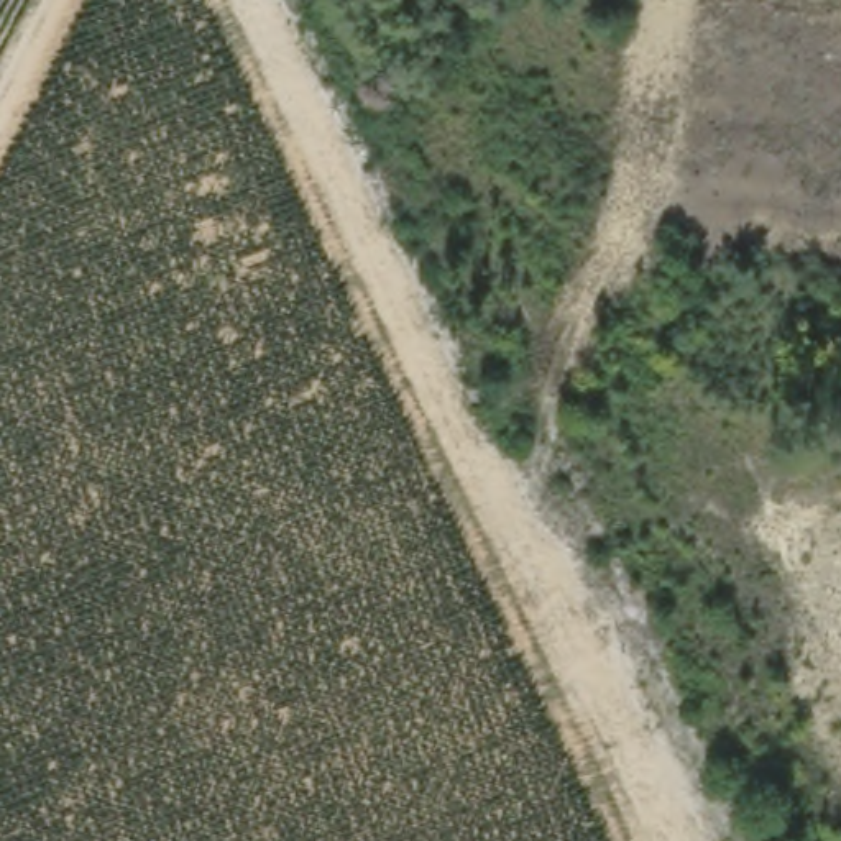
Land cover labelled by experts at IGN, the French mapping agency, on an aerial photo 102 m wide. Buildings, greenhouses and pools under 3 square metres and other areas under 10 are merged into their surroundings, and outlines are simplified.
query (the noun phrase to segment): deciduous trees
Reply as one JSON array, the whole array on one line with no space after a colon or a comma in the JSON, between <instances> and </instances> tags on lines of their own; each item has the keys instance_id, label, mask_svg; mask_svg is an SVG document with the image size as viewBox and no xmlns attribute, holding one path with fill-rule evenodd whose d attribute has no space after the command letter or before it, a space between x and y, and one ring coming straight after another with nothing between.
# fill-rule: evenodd
<instances>
[{"instance_id":1,"label":"deciduous trees","mask_svg":"<svg viewBox=\"0 0 841 841\"><path fill-rule=\"evenodd\" d=\"M693 217L687 217L680 207L670 207L657 220L650 243L664 256L673 256L690 269L703 266L706 243L706 230Z\"/></svg>"},{"instance_id":2,"label":"deciduous trees","mask_svg":"<svg viewBox=\"0 0 841 841\"><path fill-rule=\"evenodd\" d=\"M729 821L742 831L742 841L769 841L772 834L785 831L785 805L762 805L756 792L742 785L742 779L733 779L726 765L710 759L703 762L700 779L700 792L706 798L729 805Z\"/></svg>"},{"instance_id":3,"label":"deciduous trees","mask_svg":"<svg viewBox=\"0 0 841 841\"><path fill-rule=\"evenodd\" d=\"M650 315L647 299L657 292L650 286L650 250L637 256L631 286L618 292L601 292L595 302L591 338L578 352L578 365L565 371L565 381L558 388L558 437L565 440L601 440L608 430L621 427L621 421L647 414L654 404L647 391L654 391L664 381L660 371L650 368L650 361L660 355L654 338L660 322Z\"/></svg>"}]
</instances>

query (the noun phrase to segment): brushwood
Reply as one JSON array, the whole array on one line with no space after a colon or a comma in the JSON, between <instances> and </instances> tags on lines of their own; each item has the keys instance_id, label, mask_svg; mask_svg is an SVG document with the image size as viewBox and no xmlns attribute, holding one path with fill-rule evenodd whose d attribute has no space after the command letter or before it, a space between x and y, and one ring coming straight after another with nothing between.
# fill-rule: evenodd
<instances>
[{"instance_id":1,"label":"brushwood","mask_svg":"<svg viewBox=\"0 0 841 841\"><path fill-rule=\"evenodd\" d=\"M388 210L381 217L381 227L417 263L417 276L437 302L437 319L450 329L450 338L460 348L460 404L473 414L473 421L486 430L499 453L516 460L529 457L535 443L535 378L545 375L549 361L558 352L558 335L549 332L549 322L555 315L562 286L595 253L595 230L601 204L611 187L614 154L624 125L618 125L614 115L604 118L595 112L562 112L558 95L552 89L552 72L545 66L512 66L506 59L506 49L496 46L499 33L489 20L470 20L473 43L466 53L453 46L427 46L417 62L404 69L401 56L375 53L365 39L352 36L348 23L338 16L335 0L286 0L299 13L299 49L309 56L309 69L319 76L325 89L332 89L332 99L345 105L345 131L352 145L361 145L368 151L365 171L378 174L388 187Z\"/></svg>"},{"instance_id":2,"label":"brushwood","mask_svg":"<svg viewBox=\"0 0 841 841\"><path fill-rule=\"evenodd\" d=\"M749 749L749 756L765 756L779 746L795 749L792 736L811 723L808 700L795 693L785 660L788 627L765 614L762 604L742 604L736 598L736 588L729 585L733 572L726 562L716 578L706 562L683 562L677 552L660 549L660 542L650 535L680 512L680 503L673 496L657 493L654 483L670 473L680 417L677 404L654 404L647 414L621 421L621 427L608 430L601 440L565 440L568 450L578 453L588 466L585 499L591 503L604 532L624 526L631 529L631 542L618 549L611 558L624 565L631 588L647 598L647 608L647 618L657 644L664 647L670 680L680 693L680 719L696 729L703 742L716 736L716 729L733 729L733 736Z\"/></svg>"},{"instance_id":3,"label":"brushwood","mask_svg":"<svg viewBox=\"0 0 841 841\"><path fill-rule=\"evenodd\" d=\"M667 358L690 368L693 381L703 381L703 388L723 398L729 407L769 414L779 411L779 401L785 398L785 381L798 375L798 361L779 338L775 322L788 309L792 296L821 299L828 292L828 269L821 263L828 253L821 250L821 243L808 243L805 250L769 246L762 227L746 227L726 237L723 246L706 243L703 266L690 269L673 256L664 256L650 243L650 250L650 286L657 292L673 292L680 299L680 309L710 312L700 332L673 338Z\"/></svg>"},{"instance_id":4,"label":"brushwood","mask_svg":"<svg viewBox=\"0 0 841 841\"><path fill-rule=\"evenodd\" d=\"M841 841L841 802L828 798L821 811L808 811L808 828L798 841Z\"/></svg>"}]
</instances>

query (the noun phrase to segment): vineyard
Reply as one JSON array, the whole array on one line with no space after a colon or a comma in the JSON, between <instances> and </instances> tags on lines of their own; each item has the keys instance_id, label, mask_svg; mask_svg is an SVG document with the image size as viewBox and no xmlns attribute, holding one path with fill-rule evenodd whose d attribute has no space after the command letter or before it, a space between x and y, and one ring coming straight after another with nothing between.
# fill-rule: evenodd
<instances>
[{"instance_id":1,"label":"vineyard","mask_svg":"<svg viewBox=\"0 0 841 841\"><path fill-rule=\"evenodd\" d=\"M457 526L450 503L443 499L443 486L427 466L414 424L391 388L381 355L375 352L368 335L355 332L355 302L348 296L338 263L322 246L322 237L306 210L306 200L299 197L296 177L286 168L283 148L279 141L260 112L260 102L253 99L253 89L230 49L217 10L207 7L207 0L82 0L69 26L69 36L62 39L46 79L39 82L39 95L30 102L0 161L0 841L611 841L601 815L591 808L588 788L578 782L575 759L565 749L555 719L549 716L535 690L526 660L512 647L506 618L470 555L463 529Z\"/></svg>"},{"instance_id":2,"label":"vineyard","mask_svg":"<svg viewBox=\"0 0 841 841\"><path fill-rule=\"evenodd\" d=\"M0 62L36 0L0 0Z\"/></svg>"}]
</instances>

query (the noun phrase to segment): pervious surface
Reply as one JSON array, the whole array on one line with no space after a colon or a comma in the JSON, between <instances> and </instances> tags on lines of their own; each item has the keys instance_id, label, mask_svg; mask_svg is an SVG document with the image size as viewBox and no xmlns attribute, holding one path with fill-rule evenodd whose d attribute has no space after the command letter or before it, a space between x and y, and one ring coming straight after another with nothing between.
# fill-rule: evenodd
<instances>
[{"instance_id":1,"label":"pervious surface","mask_svg":"<svg viewBox=\"0 0 841 841\"><path fill-rule=\"evenodd\" d=\"M0 62L0 161L30 102L39 95L39 82L46 79L62 39L69 36L69 26L82 0L36 0Z\"/></svg>"},{"instance_id":2,"label":"pervious surface","mask_svg":"<svg viewBox=\"0 0 841 841\"><path fill-rule=\"evenodd\" d=\"M309 171L329 194L335 220L348 240L352 266L368 283L378 302L398 358L411 384L417 388L417 398L430 424L437 427L437 437L443 443L443 453L450 457L453 473L460 476L470 503L476 506L480 522L486 526L499 552L506 578L516 591L535 595L529 621L539 631L552 673L558 677L575 710L575 719L591 719L598 733L614 742L618 775L611 775L611 792L631 825L634 841L719 841L703 818L706 798L700 792L700 779L677 762L667 736L657 729L657 716L644 710L637 690L637 664L627 650L621 650L618 621L647 618L647 608L614 604L611 591L585 585L585 558L568 545L565 535L555 535L542 522L539 493L526 486L526 476L519 473L516 460L499 453L486 430L473 421L473 414L460 404L460 348L450 338L450 329L437 319L437 302L417 276L417 263L381 227L381 217L388 210L388 187L378 174L365 171L368 151L361 145L352 145L345 131L345 105L332 99L332 89L325 89L319 76L309 69L309 56L299 49L299 13L286 0L230 0L237 23L243 26L253 53L263 62L273 99L279 102L289 122L289 131L279 141L283 148L292 141L309 158Z\"/></svg>"}]
</instances>

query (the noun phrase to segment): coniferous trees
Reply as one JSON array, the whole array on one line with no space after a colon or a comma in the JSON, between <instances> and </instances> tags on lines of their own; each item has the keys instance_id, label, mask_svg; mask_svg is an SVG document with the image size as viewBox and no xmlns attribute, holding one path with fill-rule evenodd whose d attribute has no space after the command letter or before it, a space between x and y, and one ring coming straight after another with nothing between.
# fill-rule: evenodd
<instances>
[{"instance_id":1,"label":"coniferous trees","mask_svg":"<svg viewBox=\"0 0 841 841\"><path fill-rule=\"evenodd\" d=\"M404 69L417 62L427 46L453 46L466 53L473 43L470 20L489 20L493 13L512 13L529 7L529 0L335 0L338 16L348 23L352 36L365 39L375 53L401 56Z\"/></svg>"},{"instance_id":2,"label":"coniferous trees","mask_svg":"<svg viewBox=\"0 0 841 841\"><path fill-rule=\"evenodd\" d=\"M841 260L828 253L821 263L828 269L828 292L821 299L792 296L788 309L775 322L779 338L798 361L798 375L785 381L785 398L779 401L779 411L769 414L769 457L742 457L742 466L749 470L759 499L795 499L802 506L811 506L818 493L841 489Z\"/></svg>"}]
</instances>

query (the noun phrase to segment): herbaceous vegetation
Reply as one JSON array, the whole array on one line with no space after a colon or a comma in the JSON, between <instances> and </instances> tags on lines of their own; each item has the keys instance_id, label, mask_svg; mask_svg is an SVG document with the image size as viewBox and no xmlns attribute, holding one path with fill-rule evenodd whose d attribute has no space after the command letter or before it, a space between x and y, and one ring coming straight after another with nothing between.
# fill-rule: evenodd
<instances>
[{"instance_id":1,"label":"herbaceous vegetation","mask_svg":"<svg viewBox=\"0 0 841 841\"><path fill-rule=\"evenodd\" d=\"M762 805L785 805L785 831L772 834L769 841L798 841L808 828L808 811L821 811L828 798L841 802L841 489L818 493L811 506L802 506L795 499L759 499L749 470L742 466L742 457L769 457L769 414L729 407L723 398L703 388L703 381L693 381L690 368L667 358L673 338L700 332L710 312L680 309L680 299L673 292L657 292L647 299L650 315L660 322L654 338L660 355L650 361L650 368L660 371L664 381L654 391L647 391L654 404L677 404L680 417L670 473L654 483L657 493L673 496L680 503L680 512L650 535L660 542L660 549L677 552L683 562L706 562L716 578L726 562L733 572L729 585L736 588L736 598L742 604L762 604L765 614L788 627L785 660L795 693L808 700L811 723L792 736L795 749L779 746L765 756L749 756L749 749L733 736L733 729L716 729L716 736L703 742L696 729L680 719L680 693L670 680L664 647L657 644L647 618L618 621L621 650L627 650L637 664L637 690L644 710L657 716L657 729L667 736L677 762L700 779L703 762L710 759L726 765L733 779L742 779L742 785L756 792Z\"/></svg>"},{"instance_id":2,"label":"herbaceous vegetation","mask_svg":"<svg viewBox=\"0 0 841 841\"><path fill-rule=\"evenodd\" d=\"M742 841L742 831L729 821L729 805L706 798L703 818L719 841Z\"/></svg>"},{"instance_id":3,"label":"herbaceous vegetation","mask_svg":"<svg viewBox=\"0 0 841 841\"><path fill-rule=\"evenodd\" d=\"M565 371L578 365L578 352L591 338L595 302L601 292L618 292L631 286L637 256L650 250L650 243L657 220L670 207L680 207L687 217L693 217L706 230L706 243L723 246L726 237L746 227L762 227L769 246L805 250L808 243L821 243L821 250L828 253L841 260L841 0L529 0L529 7L512 13L493 13L489 20L499 33L496 46L506 49L506 59L512 66L545 66L552 72L552 89L558 95L562 112L595 112L604 118L614 115L618 125L624 125L614 154L611 187L601 204L595 230L595 253L562 286L555 315L549 322L549 332L558 335L558 352L549 361L545 375L535 378L535 443L529 457L516 460L519 473L526 476L526 486L539 493L542 522L555 535L565 535L568 545L585 558L585 585L611 591L614 604L647 608L647 598L631 588L624 565L611 558L618 549L631 542L631 529L624 526L604 532L591 503L585 499L588 466L578 453L568 450L565 440L558 437L558 388L565 381Z\"/></svg>"},{"instance_id":4,"label":"herbaceous vegetation","mask_svg":"<svg viewBox=\"0 0 841 841\"><path fill-rule=\"evenodd\" d=\"M322 246L338 263L348 296L355 302L355 332L368 335L375 352L381 355L391 388L414 424L427 466L443 486L443 499L450 503L457 526L463 529L470 555L506 618L512 647L526 660L535 690L549 716L555 719L565 749L575 759L578 782L588 788L591 808L601 815L611 841L634 841L631 825L611 792L611 775L618 775L614 742L598 733L591 719L575 719L575 710L558 677L552 673L539 631L529 621L535 595L516 591L506 578L499 552L486 526L480 522L476 506L470 503L460 476L453 473L450 457L443 453L443 443L437 437L437 427L430 424L417 398L417 388L411 384L398 358L378 302L368 283L352 266L348 240L335 220L329 194L309 171L309 158L292 141L283 148L286 168L296 177L299 197L306 200L306 210L322 237Z\"/></svg>"},{"instance_id":5,"label":"herbaceous vegetation","mask_svg":"<svg viewBox=\"0 0 841 841\"><path fill-rule=\"evenodd\" d=\"M217 10L230 49L253 89L253 99L260 102L260 112L279 141L289 131L289 122L279 102L273 99L263 62L253 53L243 26L237 23L230 0L207 0L207 7Z\"/></svg>"}]
</instances>

